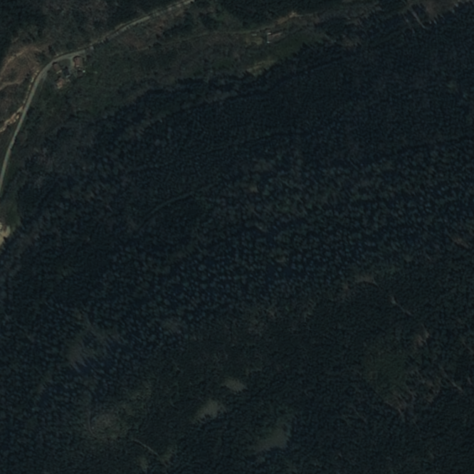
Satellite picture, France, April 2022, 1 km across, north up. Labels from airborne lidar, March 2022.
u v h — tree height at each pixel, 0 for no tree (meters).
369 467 23
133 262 19
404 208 11
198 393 17
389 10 20
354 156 25
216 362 14
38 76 0
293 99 19
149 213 17
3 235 0
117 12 25
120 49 16
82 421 14
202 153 20
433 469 26
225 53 14
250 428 23
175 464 19
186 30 25
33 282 20
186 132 24
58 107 12
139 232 8
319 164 19
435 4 0
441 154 19
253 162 17
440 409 24
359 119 18
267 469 20
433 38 21
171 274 8
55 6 23
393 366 8
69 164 20
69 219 23
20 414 13
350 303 21
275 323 18
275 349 18
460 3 0
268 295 16
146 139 15
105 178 25
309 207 30
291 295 17
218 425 21
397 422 26
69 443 21
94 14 17
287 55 0
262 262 18
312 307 17
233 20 17
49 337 12
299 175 25
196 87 28
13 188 24
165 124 13
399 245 26
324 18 18
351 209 26
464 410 21
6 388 15
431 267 21
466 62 20
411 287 24
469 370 13
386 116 21
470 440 25
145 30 15
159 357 27
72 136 18
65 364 21
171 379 17
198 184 17
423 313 24
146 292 12
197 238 15
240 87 23
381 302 23
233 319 22
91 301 19
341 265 13
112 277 28
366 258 30
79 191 38
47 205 30
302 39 0
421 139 23
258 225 26
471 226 28
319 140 24
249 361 20
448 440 21
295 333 20
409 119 21
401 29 28
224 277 10
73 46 22
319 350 23
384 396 10
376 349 28
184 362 21
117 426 9
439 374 25
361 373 18
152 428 20
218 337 17
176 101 20
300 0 29
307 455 16
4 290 16
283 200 36
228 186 27
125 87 18
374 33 36
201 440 21
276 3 28
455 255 21
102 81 13
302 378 21
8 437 21
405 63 20
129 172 22
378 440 24
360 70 22
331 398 26
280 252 29
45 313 20
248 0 25
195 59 18
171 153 20
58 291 11
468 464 25
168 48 7
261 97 20
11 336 30
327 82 21
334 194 15
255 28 14
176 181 20
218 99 23
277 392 19
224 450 22
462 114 22
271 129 19
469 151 13
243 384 11
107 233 17
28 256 13
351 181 21
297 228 21
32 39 15
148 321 19
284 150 18
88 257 17
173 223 19
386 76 19
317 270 22
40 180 24
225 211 23
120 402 10
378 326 26
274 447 0
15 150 16
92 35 22
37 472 22
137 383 14
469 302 27
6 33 25
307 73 15
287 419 10
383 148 20
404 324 28
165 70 7
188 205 18
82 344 0
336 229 9
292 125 15
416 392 24
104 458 19
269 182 19
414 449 24
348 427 22
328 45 20
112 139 22
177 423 18
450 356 29
